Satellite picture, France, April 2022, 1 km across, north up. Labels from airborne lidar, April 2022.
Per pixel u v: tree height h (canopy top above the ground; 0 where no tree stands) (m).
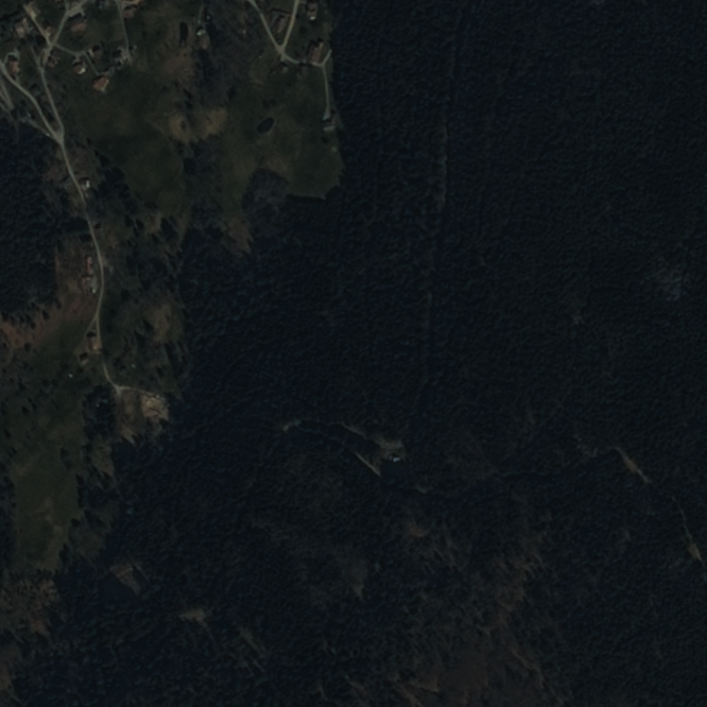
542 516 21
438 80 20
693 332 25
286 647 21
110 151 0
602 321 26
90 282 0
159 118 0
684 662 24
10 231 27
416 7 27
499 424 28
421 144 18
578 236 29
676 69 24
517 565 18
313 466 12
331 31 0
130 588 0
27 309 14
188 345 15
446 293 28
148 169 0
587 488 26
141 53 0
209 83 19
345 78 28
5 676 19
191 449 25
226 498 24
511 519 20
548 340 23
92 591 30
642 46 31
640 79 26
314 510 14
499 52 25
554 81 18
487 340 27
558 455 29
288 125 0
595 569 19
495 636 11
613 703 20
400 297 26
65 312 0
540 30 23
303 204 9
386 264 22
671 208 27
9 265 25
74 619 18
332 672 17
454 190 21
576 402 27
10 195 26
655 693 23
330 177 0
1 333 6
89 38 0
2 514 17
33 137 26
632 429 26
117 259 10
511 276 28
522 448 15
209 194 16
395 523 19
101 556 0
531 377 25
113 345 0
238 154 0
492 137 22
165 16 0
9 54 0
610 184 27
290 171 0
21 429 0
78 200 0
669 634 24
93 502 20
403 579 19
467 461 20
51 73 14
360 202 24
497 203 21
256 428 21
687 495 23
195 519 22
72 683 36
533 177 25
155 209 14
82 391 16
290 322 30
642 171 29
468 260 29
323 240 22
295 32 0
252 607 29
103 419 18
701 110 30
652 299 27
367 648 20
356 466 23
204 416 32
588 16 21
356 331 25
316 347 28
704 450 26
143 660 23
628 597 27
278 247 19
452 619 7
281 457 23
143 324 0
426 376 27
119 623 13
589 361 27
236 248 23
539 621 13
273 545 18
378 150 26
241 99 0
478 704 13
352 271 28
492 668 11
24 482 0
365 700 20
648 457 26
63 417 0
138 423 0
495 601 10
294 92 0
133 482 31
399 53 24
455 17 22
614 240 27
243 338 27
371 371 25
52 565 0
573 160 27
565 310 25
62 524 0
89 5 0
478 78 24
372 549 18
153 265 27
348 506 13
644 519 27
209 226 8
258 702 27
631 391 24
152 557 19
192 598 21
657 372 27
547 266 24
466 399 22
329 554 16
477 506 21
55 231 26
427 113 23
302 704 14
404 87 24
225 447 21
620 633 25
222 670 32
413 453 26
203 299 27
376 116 28
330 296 26
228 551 30
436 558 7
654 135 31
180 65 0
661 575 19
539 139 20
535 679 15
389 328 28
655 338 29
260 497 17
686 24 28
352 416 26
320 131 0
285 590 26
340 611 22
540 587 10
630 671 24
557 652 19
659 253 30
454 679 10
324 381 14
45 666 16
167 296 20
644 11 27
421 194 25
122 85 0
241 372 25
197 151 16
